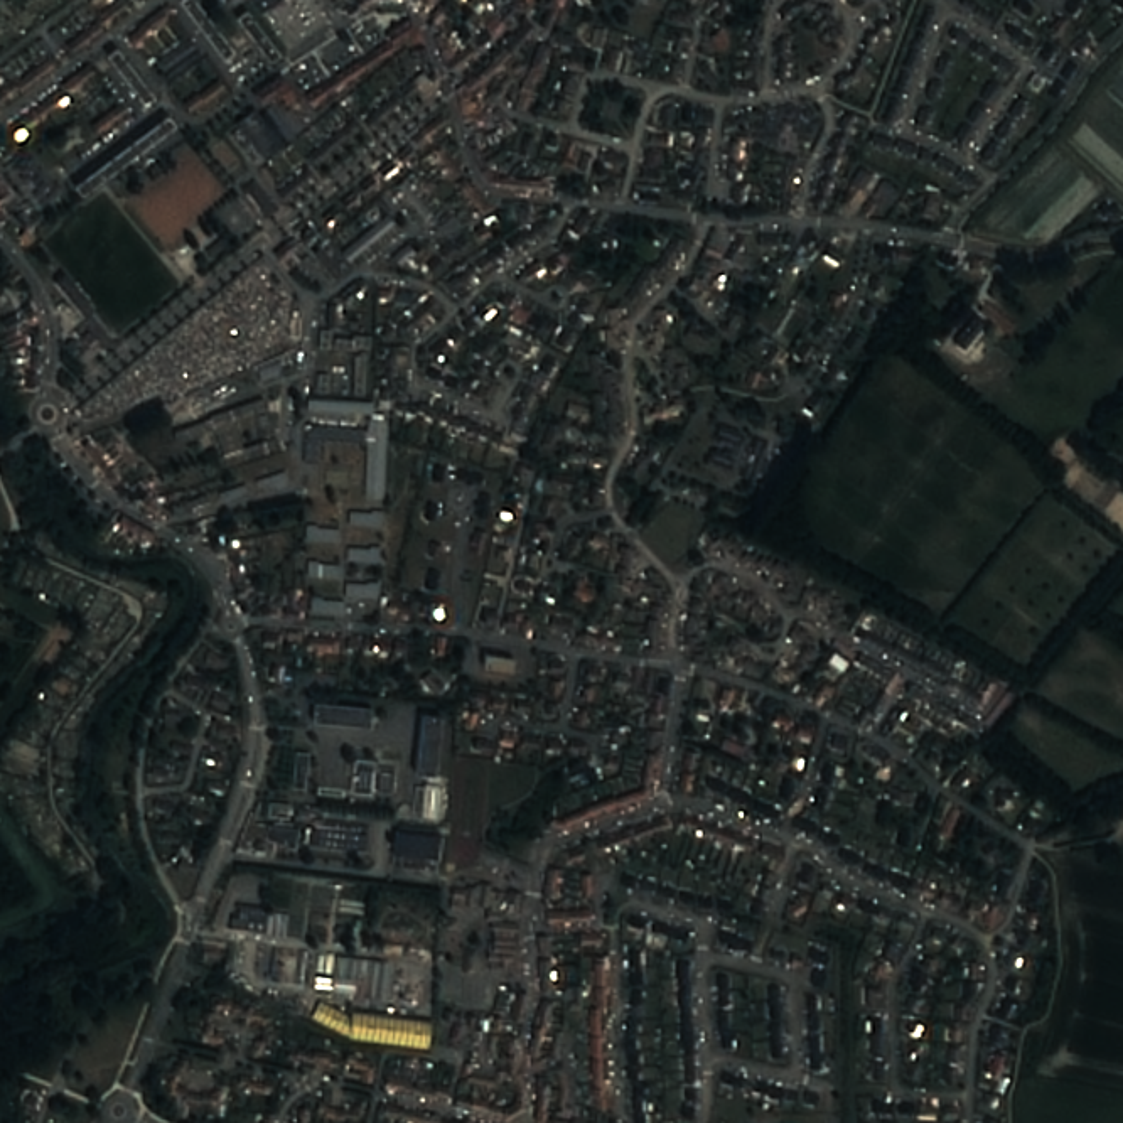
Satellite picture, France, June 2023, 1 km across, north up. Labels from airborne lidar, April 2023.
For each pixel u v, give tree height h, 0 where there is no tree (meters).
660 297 0
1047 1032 0
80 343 0
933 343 0
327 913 0
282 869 7
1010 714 11
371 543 0
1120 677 0
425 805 0
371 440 0
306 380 0
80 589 0
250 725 0
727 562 0
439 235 0
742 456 0
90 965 11
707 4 0
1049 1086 0
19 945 13
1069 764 0
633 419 0
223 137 0
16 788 0
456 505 0
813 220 0
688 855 0
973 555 0
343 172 0
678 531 0
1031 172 0
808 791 0
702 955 0
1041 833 7
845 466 0
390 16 0
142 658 13
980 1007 0
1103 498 0
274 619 0
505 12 0
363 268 0
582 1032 0
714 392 0
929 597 0
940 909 0
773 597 0
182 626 9
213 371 0
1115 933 0
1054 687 0
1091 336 0
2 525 0
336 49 0
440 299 0
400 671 11
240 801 0
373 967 0
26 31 0
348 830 0
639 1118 0
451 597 0
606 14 10
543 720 0
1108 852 18
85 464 0
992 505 0
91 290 0
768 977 0
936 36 0
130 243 0
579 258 5
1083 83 0
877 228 0
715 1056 0
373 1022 0
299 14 0
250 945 0
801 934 0
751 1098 0
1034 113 0
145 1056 0
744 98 0
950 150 0
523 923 0
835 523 0
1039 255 0
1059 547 0
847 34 0
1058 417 0
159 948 0
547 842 0
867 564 0
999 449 0
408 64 0
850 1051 0
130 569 7
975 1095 0
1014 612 0
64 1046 12
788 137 0
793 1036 0
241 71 0
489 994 0
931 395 0
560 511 0
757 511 23
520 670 0
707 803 0
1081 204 0
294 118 0
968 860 7
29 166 0
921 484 0
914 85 0
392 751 0
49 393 0
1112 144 0
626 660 0
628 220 8
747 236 0
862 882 0
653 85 0
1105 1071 0
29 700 7
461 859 0
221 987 10
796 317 0
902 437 0
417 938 0
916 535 0
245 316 0
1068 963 0
